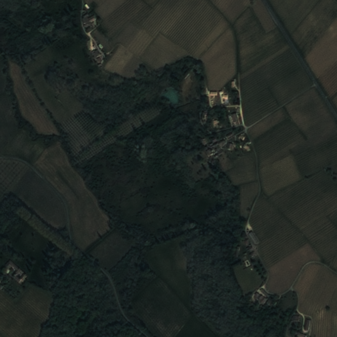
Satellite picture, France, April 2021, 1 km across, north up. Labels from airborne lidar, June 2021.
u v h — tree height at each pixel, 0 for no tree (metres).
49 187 0
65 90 17
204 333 0
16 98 7
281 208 0
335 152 0
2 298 0
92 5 0
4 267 11
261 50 0
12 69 0
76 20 7
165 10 0
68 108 0
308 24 0
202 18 0
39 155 0
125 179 0
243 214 0
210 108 6
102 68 0
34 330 0
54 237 31
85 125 18
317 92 0
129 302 17
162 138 20
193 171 8
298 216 0
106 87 15
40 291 0
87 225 0
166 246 0
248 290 0
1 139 0
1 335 0
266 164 0
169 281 0
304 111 0
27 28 17
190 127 10
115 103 22
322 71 0
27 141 0
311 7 0
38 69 0
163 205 0
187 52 0
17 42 8
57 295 15
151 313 10
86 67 0
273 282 0
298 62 0
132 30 0
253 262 16
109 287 15
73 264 19
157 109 28
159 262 0
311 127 0
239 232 22
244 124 0
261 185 0
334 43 0
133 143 13
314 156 0
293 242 0
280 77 0
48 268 33
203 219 0
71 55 0
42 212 0
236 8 0
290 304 0
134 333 18
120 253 0
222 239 15
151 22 0
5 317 0
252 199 0
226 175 13
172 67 13
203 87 9
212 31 0
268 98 0
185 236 13
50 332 21
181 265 0
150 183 0
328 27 0
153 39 0
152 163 7
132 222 0
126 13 0
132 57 0
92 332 13
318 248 0
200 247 18
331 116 0
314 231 0
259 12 0
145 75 17
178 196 0
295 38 0
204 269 15
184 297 0
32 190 0
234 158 0
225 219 15
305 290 0
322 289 0
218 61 0
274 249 0
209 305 14
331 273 0
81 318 19
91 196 0
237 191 18
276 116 0
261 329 24
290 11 0
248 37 0
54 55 0
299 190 0
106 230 0
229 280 20
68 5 8
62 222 0
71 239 20
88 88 18
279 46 0
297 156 0
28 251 0
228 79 0
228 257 12
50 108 0
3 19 10
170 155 6
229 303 19
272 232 0
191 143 10
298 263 0
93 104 18
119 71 0
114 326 18
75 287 25
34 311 0
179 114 15
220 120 14
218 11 0
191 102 5
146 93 23
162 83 25
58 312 20
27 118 0
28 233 0
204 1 0
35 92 9
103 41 0
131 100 23
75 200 0
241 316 15
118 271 6
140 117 31
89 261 21
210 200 0
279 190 0
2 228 19
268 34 0
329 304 0
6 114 0
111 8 0
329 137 0
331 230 0
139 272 19
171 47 0
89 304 24
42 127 0
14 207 22
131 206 0
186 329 0
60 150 0
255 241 0
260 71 0
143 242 19
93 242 0
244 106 0
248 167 0
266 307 6
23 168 7
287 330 9
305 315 0
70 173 0
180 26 0
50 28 33
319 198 0
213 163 10
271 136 0
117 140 18
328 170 9
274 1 0
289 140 0
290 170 0
